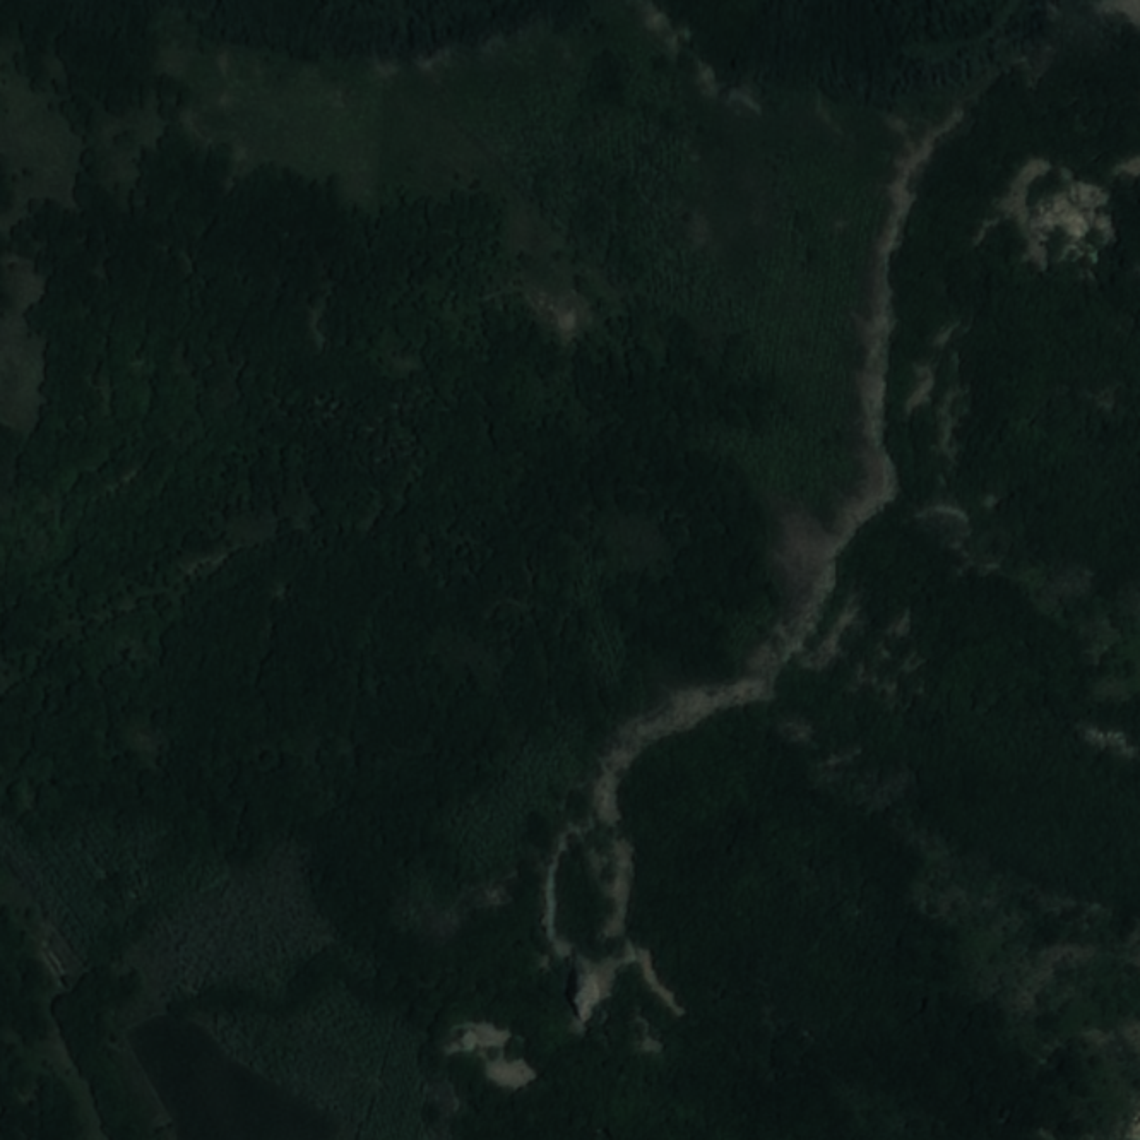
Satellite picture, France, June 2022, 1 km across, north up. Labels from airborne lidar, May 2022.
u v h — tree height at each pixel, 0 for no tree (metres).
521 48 0
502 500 9
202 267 13
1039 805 20
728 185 0
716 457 6
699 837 30
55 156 0
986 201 10
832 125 0
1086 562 11
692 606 11
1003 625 20
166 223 11
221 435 11
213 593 12
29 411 0
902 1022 25
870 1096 12
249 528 0
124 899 11
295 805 11
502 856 7
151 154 11
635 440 10
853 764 8
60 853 10
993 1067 19
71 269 12
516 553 15
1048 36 7
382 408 14
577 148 6
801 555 0
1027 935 7
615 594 10
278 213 9
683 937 20
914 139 0
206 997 10
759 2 14
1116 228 11
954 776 20
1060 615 7
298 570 13
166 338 12
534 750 8
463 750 10
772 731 10
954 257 17
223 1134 0
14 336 0
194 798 15
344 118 0
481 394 12
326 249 13
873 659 11
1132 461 22
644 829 18
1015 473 23
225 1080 0
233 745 14
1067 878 13
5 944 16
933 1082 25
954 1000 17
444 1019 15
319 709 12
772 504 0
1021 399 23
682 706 0
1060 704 20
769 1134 20
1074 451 23
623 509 11
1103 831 23
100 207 12
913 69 11
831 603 10
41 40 11
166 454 13
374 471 13
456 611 12
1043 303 29
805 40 15
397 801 11
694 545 9
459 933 7
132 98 10
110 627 8
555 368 9
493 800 10
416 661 9
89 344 14
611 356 6
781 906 26
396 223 9
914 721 14
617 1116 27
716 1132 18
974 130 8
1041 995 8
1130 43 10
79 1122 7
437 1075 9
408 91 0
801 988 15
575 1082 24
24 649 12
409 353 8
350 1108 6
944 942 15
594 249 7
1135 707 13
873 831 20
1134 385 12
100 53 12
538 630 9
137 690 11
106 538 13
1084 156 20
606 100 8
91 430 13
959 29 6
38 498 9
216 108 0
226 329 11
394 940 12
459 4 8
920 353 17
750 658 0
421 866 7
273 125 0
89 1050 17
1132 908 10
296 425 14
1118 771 19
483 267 8
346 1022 9
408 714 13
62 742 13
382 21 11
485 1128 19
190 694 15
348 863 11
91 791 12
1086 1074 9
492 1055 10
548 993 16
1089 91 8
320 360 10
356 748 8
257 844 11
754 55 13
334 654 9
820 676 13
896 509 10
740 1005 17
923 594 17
